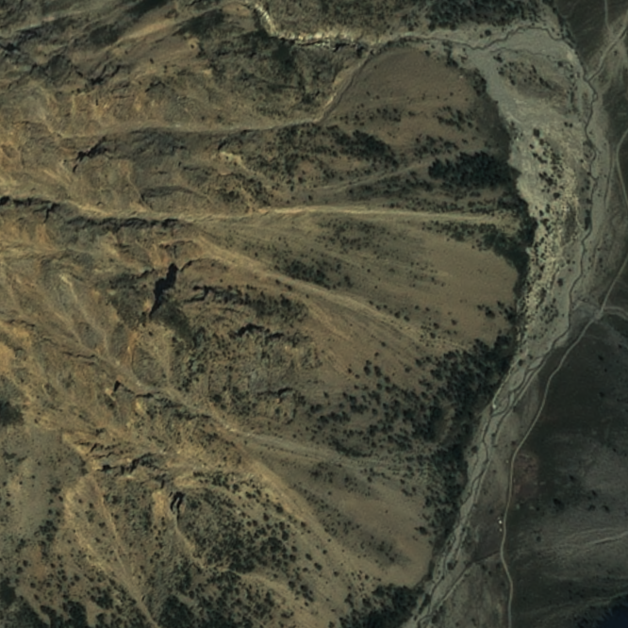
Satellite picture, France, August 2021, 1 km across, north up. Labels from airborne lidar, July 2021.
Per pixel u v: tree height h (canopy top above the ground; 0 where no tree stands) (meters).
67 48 0
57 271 0
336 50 0
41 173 0
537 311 0
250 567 7
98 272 0
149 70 0
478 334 0
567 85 0
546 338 0
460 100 0
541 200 0
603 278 0
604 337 0
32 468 0
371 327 0
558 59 0
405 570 0
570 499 0
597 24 0
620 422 0
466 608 0
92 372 0
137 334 0
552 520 0
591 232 0
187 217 0
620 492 0
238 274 0
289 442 0
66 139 0
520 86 0
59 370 0
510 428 0
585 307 0
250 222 0
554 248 0
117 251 0
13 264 0
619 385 0
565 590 0
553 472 0
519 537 0
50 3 0
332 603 0
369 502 0
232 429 0
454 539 0
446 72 0
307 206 0
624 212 0
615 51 0
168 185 0
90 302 0
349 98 0
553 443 0
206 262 0
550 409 0
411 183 7
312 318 0
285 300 7
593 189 0
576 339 0
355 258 0
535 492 0
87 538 0
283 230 0
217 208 0
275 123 0
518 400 0
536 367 0
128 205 0
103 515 0
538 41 0
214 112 0
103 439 0
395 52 0
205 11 0
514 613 0
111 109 0
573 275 0
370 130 0
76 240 0
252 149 0
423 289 0
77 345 0
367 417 0
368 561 0
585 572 0
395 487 0
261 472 0
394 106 0
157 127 0
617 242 0
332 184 0
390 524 0
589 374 0
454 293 0
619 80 0
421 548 0
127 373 0
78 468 0
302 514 0
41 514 0
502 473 0
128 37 0
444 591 0
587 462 0
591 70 0
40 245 0
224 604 9
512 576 0
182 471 0
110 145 0
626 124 0
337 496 0
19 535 0
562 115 0
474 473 0
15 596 0
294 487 0
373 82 0
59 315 0
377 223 0
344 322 0
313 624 0
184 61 0
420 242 0
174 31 0
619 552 0
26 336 0
